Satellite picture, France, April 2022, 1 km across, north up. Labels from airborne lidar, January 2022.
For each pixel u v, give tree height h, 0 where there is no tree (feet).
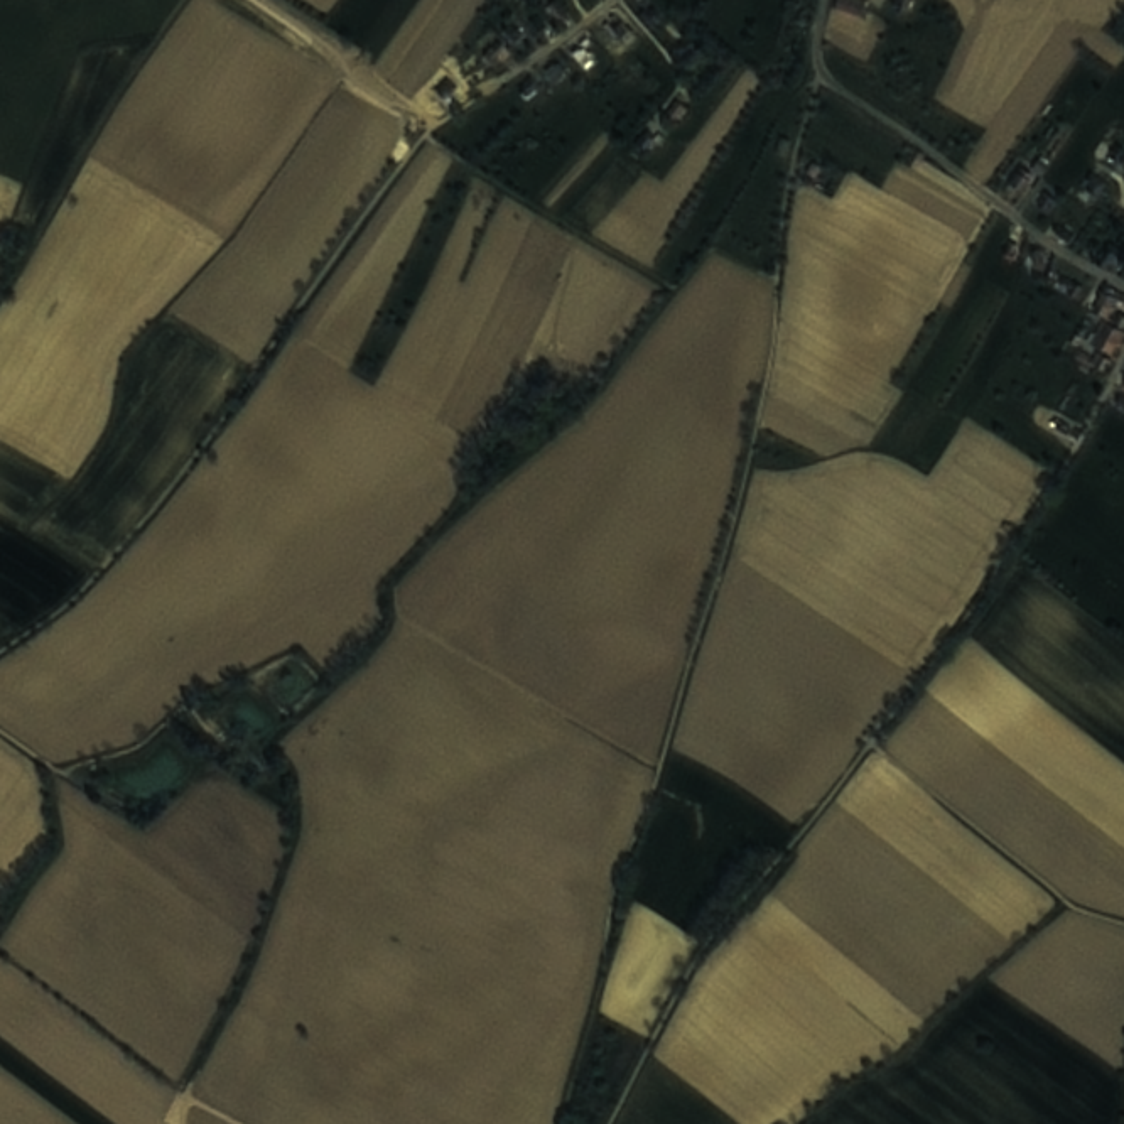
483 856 0
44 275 0
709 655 0
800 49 30
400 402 0
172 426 0
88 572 0
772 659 0
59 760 0
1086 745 0
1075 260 0
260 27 0
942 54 0
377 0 0
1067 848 0
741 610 0
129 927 0
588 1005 0
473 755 0
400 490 0
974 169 0
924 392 0
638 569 0
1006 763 0
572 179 0
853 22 0
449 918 0
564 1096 0
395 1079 0
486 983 0
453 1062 0
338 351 0
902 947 0
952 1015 0
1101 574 0
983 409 0
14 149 0
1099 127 0
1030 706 0
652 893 0
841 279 0
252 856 0
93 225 0
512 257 0
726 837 0
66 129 0
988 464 0
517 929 0
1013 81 0
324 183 0
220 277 0
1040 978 0
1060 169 0
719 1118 0
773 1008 0
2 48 0
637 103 0
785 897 0
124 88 0
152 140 0
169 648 0
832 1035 0
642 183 0
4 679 0
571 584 0
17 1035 0
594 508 0
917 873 0
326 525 0
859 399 0
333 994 0
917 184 0
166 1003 0
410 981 0
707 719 0
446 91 34
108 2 0
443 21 0
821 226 0
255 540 0
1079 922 0
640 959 0
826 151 0
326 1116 0
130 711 0
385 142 0
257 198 0
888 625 0
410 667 0
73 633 0
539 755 0
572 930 0
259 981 0
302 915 0
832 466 0
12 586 0
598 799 0
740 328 0
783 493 0
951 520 0
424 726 0
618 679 0
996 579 50
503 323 0
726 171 0
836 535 0
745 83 0
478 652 0
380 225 0
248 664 0
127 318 0
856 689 0
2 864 0
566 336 0
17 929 0
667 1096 0
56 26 0
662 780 0
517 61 31
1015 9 0
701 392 0
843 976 0
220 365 0
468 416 0
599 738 0
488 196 0
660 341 0
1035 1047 0
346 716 0
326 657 0
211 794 0
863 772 0
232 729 20
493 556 0
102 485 0
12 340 0
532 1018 0
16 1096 0
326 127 0
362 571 0
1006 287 0
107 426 0
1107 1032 0
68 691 0
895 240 0
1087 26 0
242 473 0
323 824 0
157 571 0
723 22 0
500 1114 0
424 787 0
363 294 0
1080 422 0
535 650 0
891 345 0
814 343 0
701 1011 0
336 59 0
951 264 0
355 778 0
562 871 0
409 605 0
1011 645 0
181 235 0
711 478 0
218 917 0
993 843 0
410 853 0
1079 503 0
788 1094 0
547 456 0
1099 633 0
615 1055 0
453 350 0
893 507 0
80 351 0
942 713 0
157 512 0
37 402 0
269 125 0
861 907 0
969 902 0
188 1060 0
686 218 28
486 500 0
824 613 0
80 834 0
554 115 0
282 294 0
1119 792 0
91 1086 0
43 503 0
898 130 0
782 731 0
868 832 0
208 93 0
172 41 0
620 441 0
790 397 0
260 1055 0
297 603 0
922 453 0
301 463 0
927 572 0
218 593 0
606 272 0
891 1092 0
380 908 0
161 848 0
